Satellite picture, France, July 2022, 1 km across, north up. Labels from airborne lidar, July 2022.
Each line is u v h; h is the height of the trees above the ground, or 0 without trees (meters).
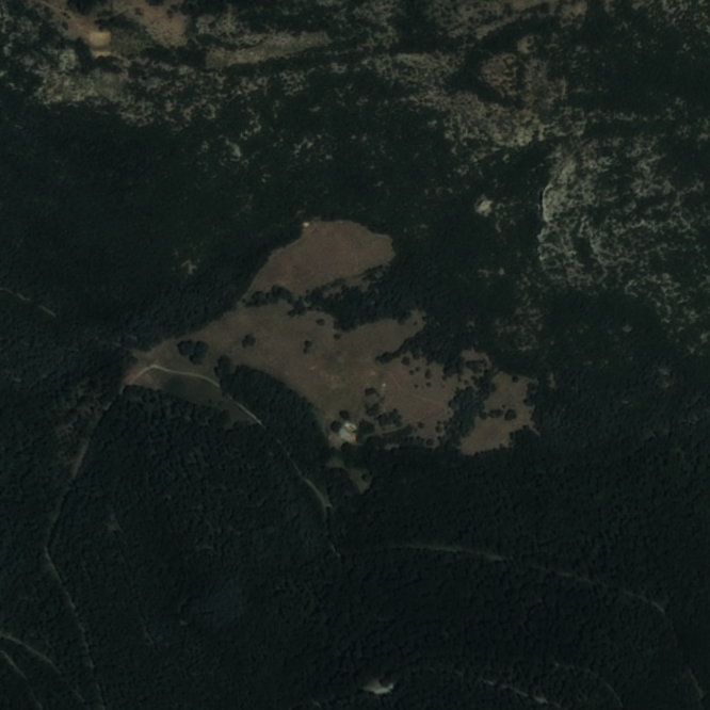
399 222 6
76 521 16
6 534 18
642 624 15
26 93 8
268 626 23
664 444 22
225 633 18
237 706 16
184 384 0
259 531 18
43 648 13
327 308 8
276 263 0
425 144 6
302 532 28
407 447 9
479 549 20
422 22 5
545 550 21
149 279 7
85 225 6
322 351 0
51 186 6
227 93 7
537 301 6
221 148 6
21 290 15
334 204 7
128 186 8
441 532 10
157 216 7
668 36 6
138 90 6
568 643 20
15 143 6
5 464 8
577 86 6
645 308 6
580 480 14
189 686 12
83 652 19
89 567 14
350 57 7
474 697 19
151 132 7
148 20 0
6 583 12
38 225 8
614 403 14
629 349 9
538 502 9
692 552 23
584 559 10
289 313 8
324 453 21
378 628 11
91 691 16
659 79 5
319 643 27
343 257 0
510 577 25
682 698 21
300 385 0
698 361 6
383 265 11
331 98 7
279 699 18
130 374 0
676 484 9
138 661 15
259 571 20
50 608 24
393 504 16
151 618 14
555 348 6
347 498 23
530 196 6
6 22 5
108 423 15
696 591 17
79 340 16
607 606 19
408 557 14
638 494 8
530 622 21
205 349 22
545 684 24
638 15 6
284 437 18
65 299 7
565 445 15
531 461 21
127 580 14
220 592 25
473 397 14
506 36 7
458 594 22
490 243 7
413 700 20
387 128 7
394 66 6
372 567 7
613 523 14
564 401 12
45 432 6
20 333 13
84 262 7
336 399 0
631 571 15
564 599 19
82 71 6
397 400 0
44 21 6
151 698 17
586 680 24
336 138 6
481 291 6
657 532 13
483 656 13
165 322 15
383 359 6
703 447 25
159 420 20
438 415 0
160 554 7
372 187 7
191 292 14
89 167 6
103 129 5
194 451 25
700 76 6
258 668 21
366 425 10
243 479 21
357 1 10
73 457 8
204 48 6
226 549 19
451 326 14
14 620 11
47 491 10
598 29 5
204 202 7
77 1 11
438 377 0
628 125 6
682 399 14
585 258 6
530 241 7
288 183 6
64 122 7
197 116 5
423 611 21
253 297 9
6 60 8
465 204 5
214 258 8
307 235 0
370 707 25
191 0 16
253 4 9
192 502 26
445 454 14
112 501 12
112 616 14
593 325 9
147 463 15
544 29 5
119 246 8
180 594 12
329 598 24
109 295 8
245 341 12
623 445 19
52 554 17
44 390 22
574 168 0
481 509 17
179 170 5
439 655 12
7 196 7
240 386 18
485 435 0
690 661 16
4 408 27
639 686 21
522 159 7
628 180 5
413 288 13
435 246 7
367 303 18
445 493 8
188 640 18
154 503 16
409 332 0
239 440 25
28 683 9
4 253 6
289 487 25
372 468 17
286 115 7
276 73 6
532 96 0
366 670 24
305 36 0
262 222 5
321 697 23
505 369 9
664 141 5
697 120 6
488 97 5
